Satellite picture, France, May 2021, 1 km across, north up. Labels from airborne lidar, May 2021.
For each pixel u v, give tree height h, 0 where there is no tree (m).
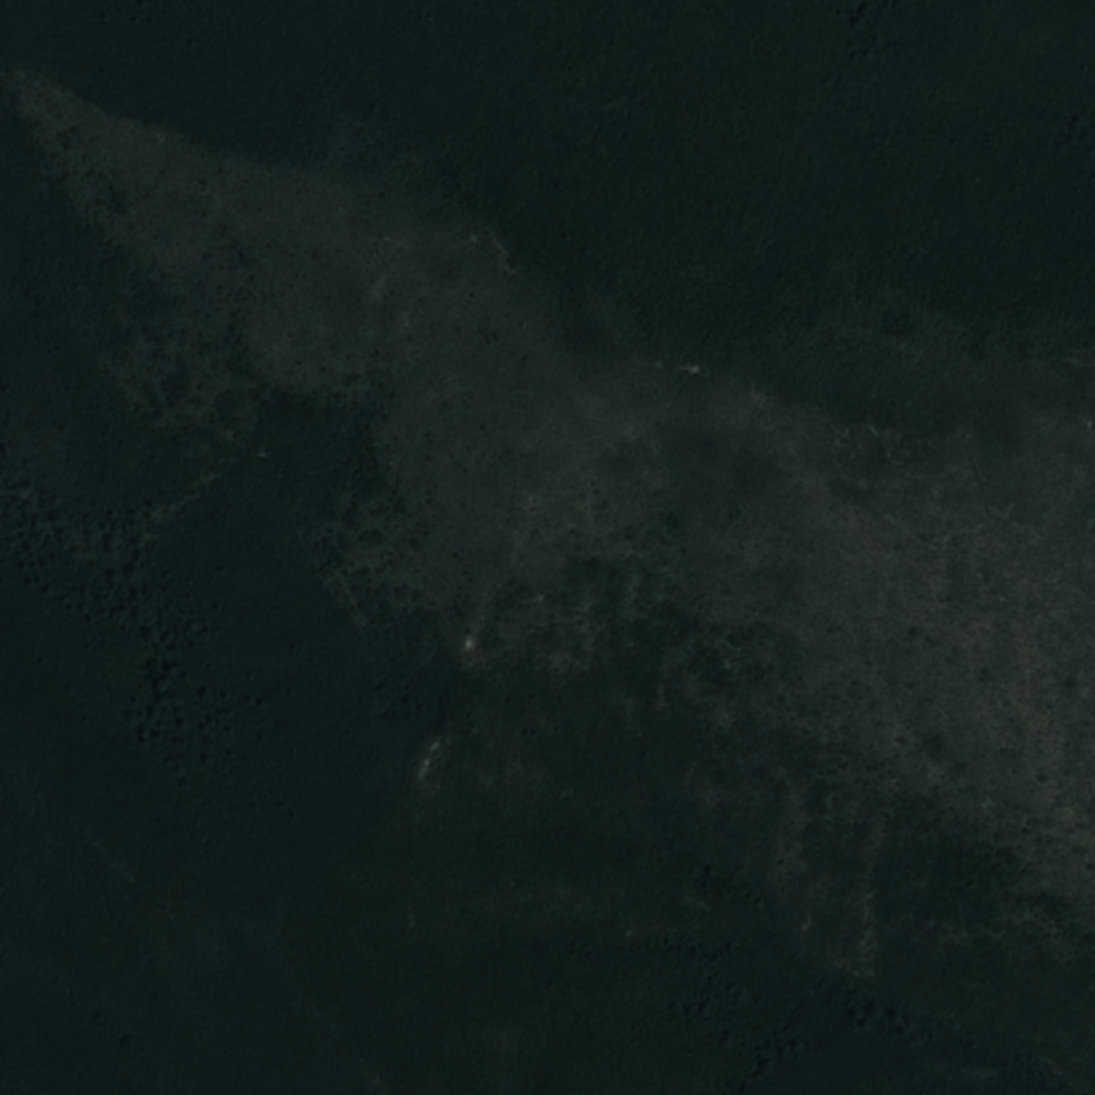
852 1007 8
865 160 7
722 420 0
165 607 14
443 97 5
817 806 6
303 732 6
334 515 6
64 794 6
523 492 0
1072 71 6
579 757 9
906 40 6
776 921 10
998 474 0
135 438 6
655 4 9
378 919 6
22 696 6
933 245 7
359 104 6
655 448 0
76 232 6
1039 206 8
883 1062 8
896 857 6
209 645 6
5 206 5
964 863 6
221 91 6
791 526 0
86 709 7
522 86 5
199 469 6
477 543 0
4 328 7
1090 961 6
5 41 5
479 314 0
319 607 7
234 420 6
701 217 6
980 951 6
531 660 5
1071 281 6
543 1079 6
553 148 6
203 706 8
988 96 7
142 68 5
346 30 6
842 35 7
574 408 0
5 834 6
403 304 0
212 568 8
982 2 6
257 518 7
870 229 6
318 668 7
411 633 6
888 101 6
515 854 6
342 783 6
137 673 7
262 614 6
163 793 8
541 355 0
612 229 5
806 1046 6
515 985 6
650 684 5
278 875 6
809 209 8
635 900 6
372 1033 7
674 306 6
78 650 7
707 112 5
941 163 6
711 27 7
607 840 6
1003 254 7
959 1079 6
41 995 6
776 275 7
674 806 7
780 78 6
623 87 8
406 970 5
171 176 0
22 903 6
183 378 6
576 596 5
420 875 5
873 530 0
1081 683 0
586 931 5
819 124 8
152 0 9
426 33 7
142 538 12
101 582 10
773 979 7
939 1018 8
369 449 6
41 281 9
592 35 6
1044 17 6
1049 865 0
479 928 5
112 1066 6
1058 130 6
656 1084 6
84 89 5
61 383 6
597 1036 7
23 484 6
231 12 6
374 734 6
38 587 7
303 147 5
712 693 5
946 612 0
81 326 5
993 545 0
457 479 0
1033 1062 7
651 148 6
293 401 7
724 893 12
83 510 6
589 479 0
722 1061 7
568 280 5
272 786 6
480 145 6
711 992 16
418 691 6
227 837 6
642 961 7
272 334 0
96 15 6
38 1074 6
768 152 6
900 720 0
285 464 7
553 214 6
